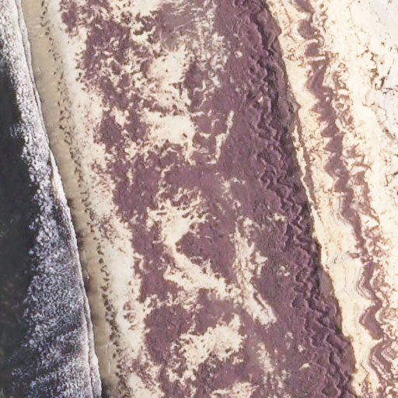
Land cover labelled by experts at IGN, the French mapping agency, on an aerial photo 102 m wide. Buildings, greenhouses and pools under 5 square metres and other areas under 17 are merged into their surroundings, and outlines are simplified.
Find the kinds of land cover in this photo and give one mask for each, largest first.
<instances>
[{"label":"bare soil","instance_id":"1","mask_svg":"<svg viewBox=\"0 0 398 398\"><path fill-rule=\"evenodd\" d=\"M30 40L33 87L39 93L40 113L48 138V148L56 159L65 199L75 227L84 289L89 297L99 378H107L110 382V398H398V0H20Z\"/></svg>","mask_w":398,"mask_h":398},{"label":"water","instance_id":"2","mask_svg":"<svg viewBox=\"0 0 398 398\"><path fill-rule=\"evenodd\" d=\"M30 40L20 0H0V398H110V382L107 378H99L89 297L84 289L75 227L65 199L56 159L48 148V138L40 113L39 93L33 87Z\"/></svg>","mask_w":398,"mask_h":398}]
</instances>
